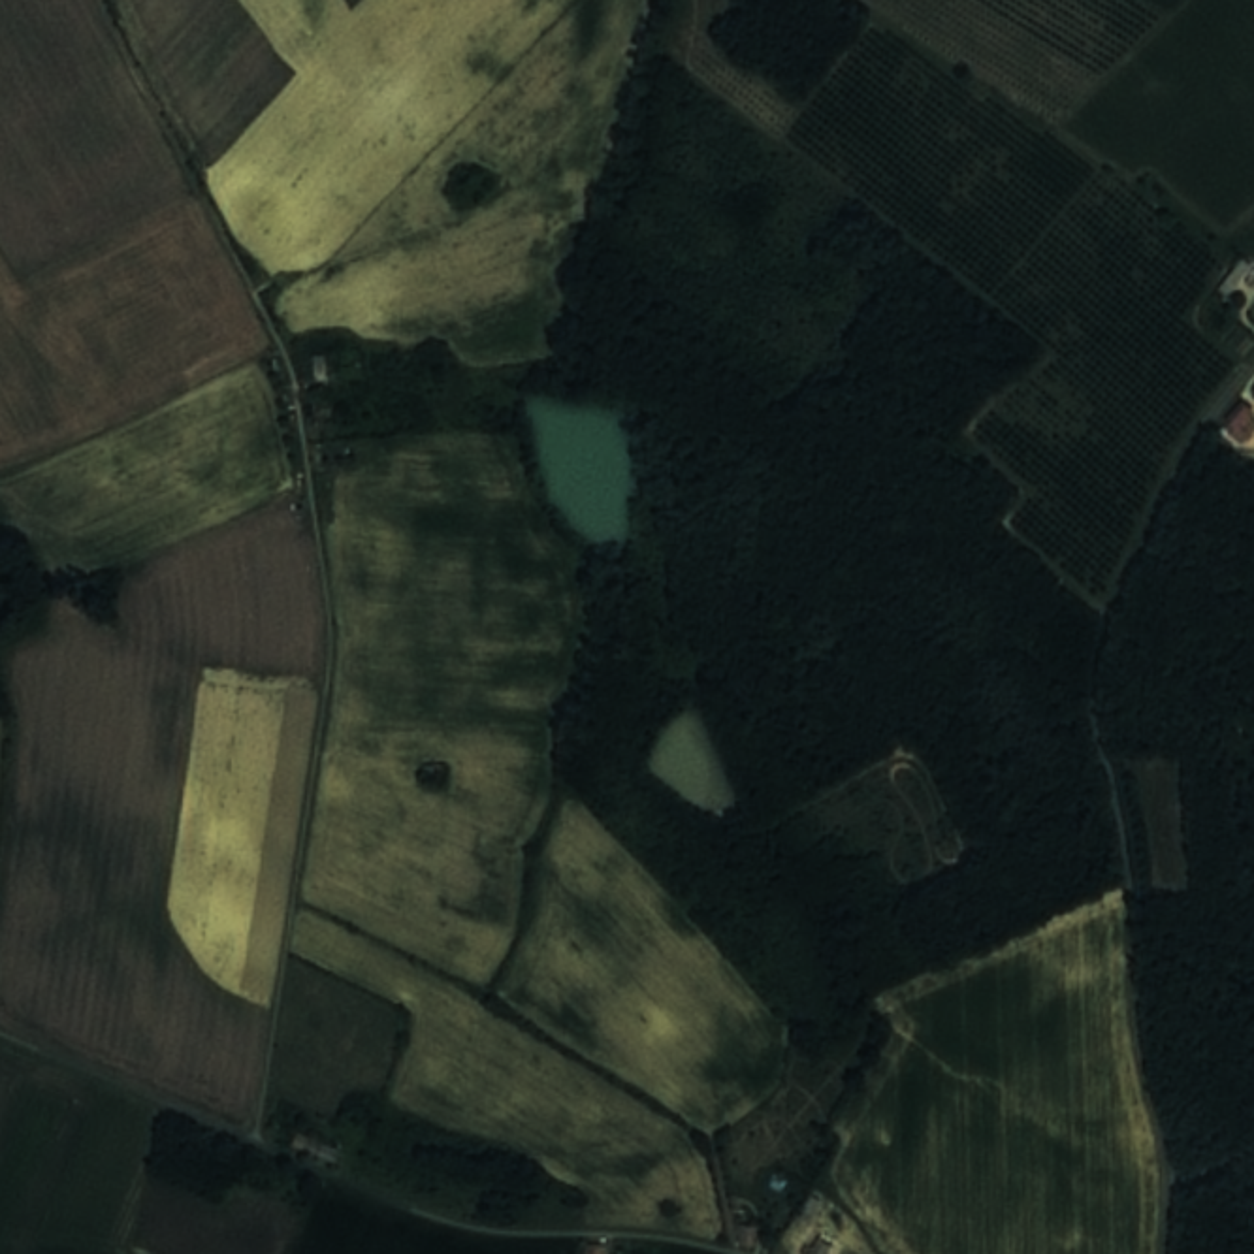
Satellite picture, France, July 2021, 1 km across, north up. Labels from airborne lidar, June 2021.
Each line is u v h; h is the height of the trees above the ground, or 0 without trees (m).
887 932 8
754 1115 0
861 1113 0
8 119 0
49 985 0
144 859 0
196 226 0
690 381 12
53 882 0
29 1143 0
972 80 17
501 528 0
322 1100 0
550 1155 0
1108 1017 0
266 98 0
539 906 0
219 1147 15
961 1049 0
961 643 10
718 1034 0
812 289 6
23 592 27
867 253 20
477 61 0
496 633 0
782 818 7
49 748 0
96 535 0
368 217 0
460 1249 0
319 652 0
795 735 15
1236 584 20
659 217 7
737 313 6
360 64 0
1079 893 17
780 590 16
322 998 0
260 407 0
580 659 9
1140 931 16
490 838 0
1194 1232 16
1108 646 14
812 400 19
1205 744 20
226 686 0
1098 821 21
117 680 0
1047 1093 0
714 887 5
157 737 0
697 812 14
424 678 0
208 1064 0
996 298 6
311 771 0
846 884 9
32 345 0
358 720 0
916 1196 0
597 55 0
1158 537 18
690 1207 0
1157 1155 0
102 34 0
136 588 0
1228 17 0
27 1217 0
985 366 21
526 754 0
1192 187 0
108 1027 0
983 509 15
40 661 0
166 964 0
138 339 0
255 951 0
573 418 0
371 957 0
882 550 17
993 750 8
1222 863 19
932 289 19
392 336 0
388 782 0
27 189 0
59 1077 0
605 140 0
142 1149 0
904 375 20
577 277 28
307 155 0
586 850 0
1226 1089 21
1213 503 19
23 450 0
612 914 0
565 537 9
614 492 0
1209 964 22
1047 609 15
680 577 17
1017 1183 0
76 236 0
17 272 0
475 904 0
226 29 0
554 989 0
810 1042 18
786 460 9
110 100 0
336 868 0
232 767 0
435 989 0
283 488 0
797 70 23
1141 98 0
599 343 20
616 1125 0
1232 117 0
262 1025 0
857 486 14
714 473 20
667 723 10
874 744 18
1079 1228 0
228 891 0
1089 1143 0
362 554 0
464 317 0
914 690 18
